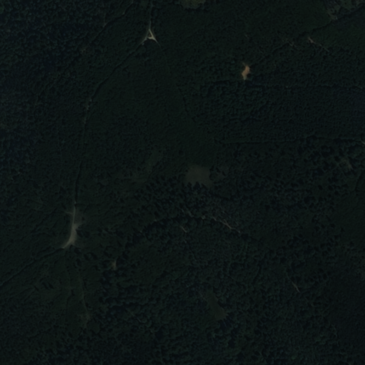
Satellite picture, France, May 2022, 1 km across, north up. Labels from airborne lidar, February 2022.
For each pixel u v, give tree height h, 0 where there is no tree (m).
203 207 34
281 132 20
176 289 27
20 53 21
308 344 30
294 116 26
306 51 28
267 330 36
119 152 13
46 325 9
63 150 17
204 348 27
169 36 20
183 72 27
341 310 13
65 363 38
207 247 28
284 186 34
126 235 15
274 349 18
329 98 20
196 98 27
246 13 20
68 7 33
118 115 10
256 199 30
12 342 14
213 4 17
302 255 28
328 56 30
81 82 8
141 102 12
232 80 31
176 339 36
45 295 0
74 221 0
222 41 15
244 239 32
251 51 29
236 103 37
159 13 19
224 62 31
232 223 35
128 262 17
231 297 41
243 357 38
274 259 30
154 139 11
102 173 9
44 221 10
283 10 22
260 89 23
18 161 42
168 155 10
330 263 34
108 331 8
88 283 35
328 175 9
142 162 9
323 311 19
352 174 34
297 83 26
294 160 18
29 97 15
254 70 25
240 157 30
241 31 20
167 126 15
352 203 19
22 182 10
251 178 6
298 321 35
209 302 0
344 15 18
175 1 12
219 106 35
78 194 11
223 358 35
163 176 7
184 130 20
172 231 39
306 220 37
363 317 14
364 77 21
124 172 9
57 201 11
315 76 31
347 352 15
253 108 27
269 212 36
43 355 38
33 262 14
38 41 38
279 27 24
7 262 12
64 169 12
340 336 13
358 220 20
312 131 19
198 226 35
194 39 22
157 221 13
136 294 39
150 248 18
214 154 17
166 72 20
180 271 29
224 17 22
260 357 38
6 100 27
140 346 16
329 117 22
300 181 12
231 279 35
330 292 15
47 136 16
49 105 19
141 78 15
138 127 10
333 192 15
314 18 18
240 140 17
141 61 15
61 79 11
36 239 12
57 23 12
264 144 16
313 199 39
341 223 17
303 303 29
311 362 31
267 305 31
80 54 31
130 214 43
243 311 36
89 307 31
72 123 14
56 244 0
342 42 26
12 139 19
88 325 7
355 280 10
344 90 22
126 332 7
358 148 27
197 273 42
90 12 32
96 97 10
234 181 8
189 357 29
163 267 18
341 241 11
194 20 20
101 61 10
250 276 34
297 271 32
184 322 26
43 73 17
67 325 10
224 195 9
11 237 11
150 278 26
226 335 39
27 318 13
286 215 37
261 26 22
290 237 23
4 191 30
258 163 12
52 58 37
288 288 25
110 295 32
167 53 20
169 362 33
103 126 10
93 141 12
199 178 0
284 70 24
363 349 12
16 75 17
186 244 35
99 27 11
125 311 37
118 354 16
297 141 19
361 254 7
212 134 21
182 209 41
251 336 10
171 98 20
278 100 25
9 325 13
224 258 31
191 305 30
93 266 9
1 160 33
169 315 27
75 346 10
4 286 14
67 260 13
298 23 22
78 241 0
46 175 14
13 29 43
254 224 33
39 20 46
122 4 11
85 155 13
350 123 20
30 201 8
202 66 32
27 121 25
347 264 11
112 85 12
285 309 31
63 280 6
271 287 32
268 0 20
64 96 14
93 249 6
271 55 30
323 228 30
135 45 15
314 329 34
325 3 28
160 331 26
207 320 22
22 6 21
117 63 12
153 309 31
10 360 14
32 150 38
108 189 6
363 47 24
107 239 9
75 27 13
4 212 12
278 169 13
